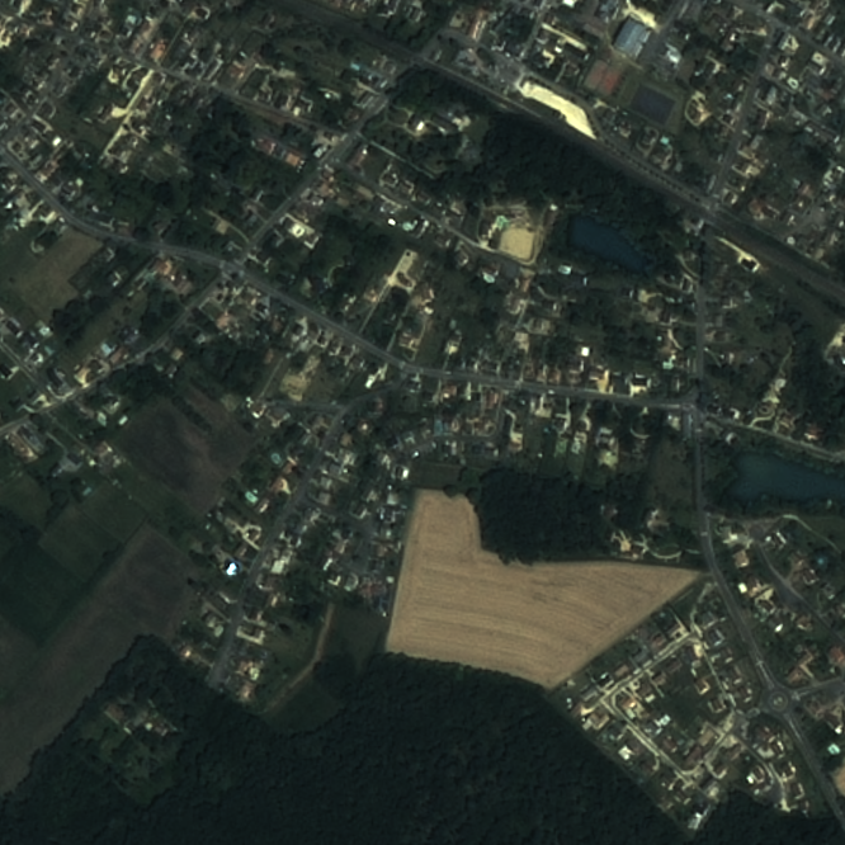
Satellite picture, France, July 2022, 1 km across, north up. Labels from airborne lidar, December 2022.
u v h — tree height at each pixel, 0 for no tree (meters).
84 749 7
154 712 8
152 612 0
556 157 24
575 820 25
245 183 12
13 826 15
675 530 9
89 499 0
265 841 20
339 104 8
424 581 0
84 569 0
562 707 0
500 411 0
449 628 0
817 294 10
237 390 10
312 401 0
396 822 19
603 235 0
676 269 19
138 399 16
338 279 10
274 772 22
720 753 0
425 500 0
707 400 15
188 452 0
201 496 0
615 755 0
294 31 7
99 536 0
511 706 20
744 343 7
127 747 12
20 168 0
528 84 0
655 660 0
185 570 0
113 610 0
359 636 0
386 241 14
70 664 0
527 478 19
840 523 0
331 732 11
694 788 0
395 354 0
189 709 25
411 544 0
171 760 13
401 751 21
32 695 0
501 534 25
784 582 0
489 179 26
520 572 0
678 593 0
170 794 13
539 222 0
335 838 18
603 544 6
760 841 16
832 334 0
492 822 21
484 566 0
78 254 0
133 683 23
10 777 0
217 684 0
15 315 0
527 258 0
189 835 25
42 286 0
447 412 9
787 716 0
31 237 0
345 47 9
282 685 0
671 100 0
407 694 13
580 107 0
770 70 0
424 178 11
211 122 10
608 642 0
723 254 0
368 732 19
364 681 9
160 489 0
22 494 0
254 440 0
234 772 8
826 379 22
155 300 11
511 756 20
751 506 13
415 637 0
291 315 10
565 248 8
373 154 13
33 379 0
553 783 23
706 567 6
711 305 6
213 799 15
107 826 9
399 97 21
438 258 12
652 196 12
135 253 13
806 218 0
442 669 10
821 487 0
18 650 0
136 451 0
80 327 7
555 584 0
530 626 0
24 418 0
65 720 0
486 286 8
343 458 0
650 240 14
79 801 15
